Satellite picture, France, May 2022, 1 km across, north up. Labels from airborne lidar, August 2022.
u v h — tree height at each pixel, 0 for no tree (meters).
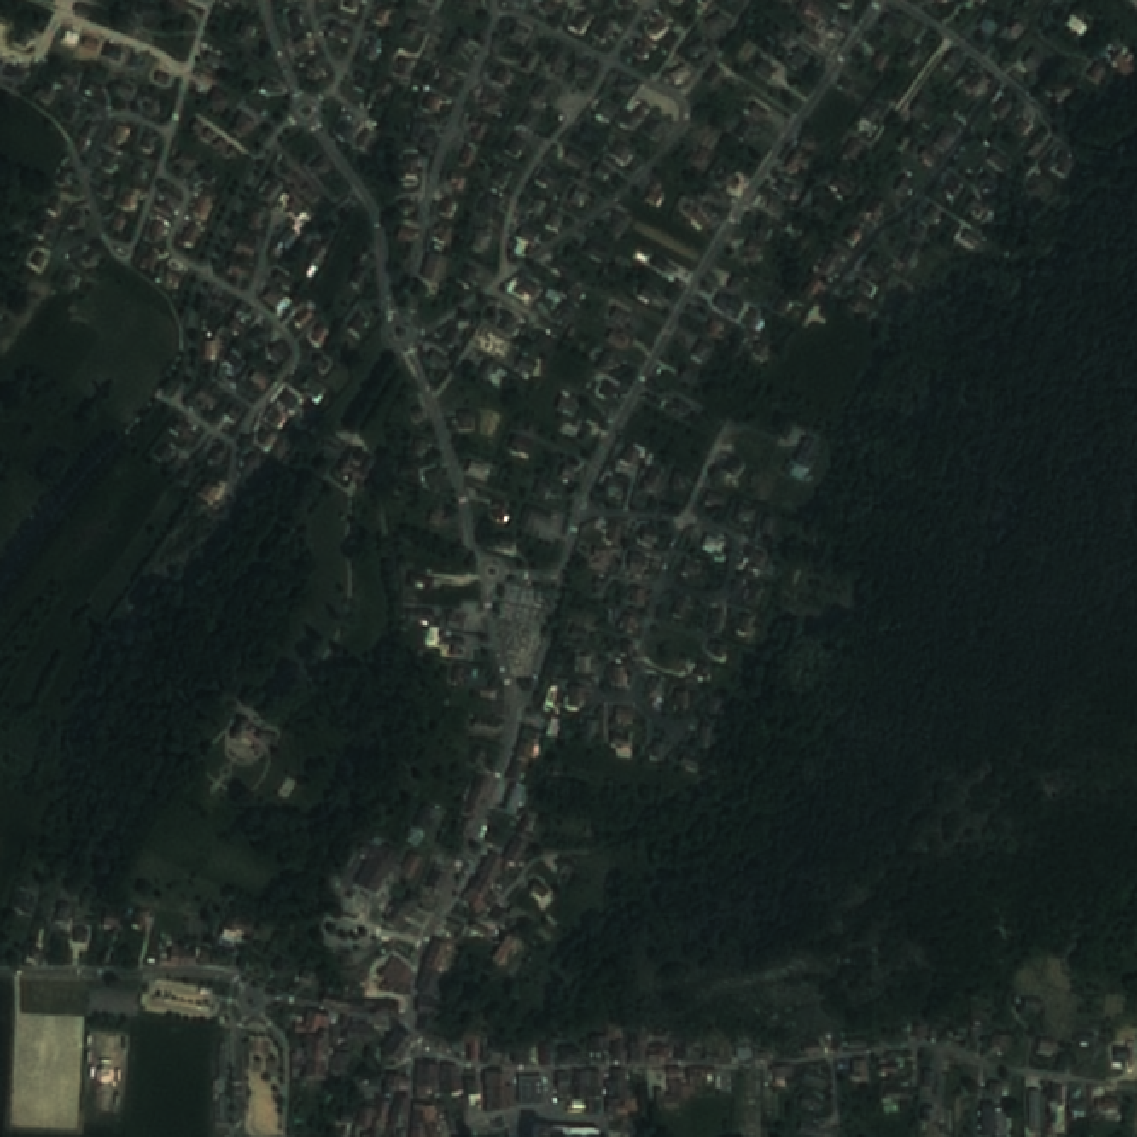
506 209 0
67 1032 0
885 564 17
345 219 17
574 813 8
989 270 14
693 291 0
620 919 10
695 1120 0
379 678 29
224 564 21
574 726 6
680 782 0
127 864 22
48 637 0
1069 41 7
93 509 0
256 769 0
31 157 0
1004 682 12
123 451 27
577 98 0
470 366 15
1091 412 23
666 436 7
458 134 0
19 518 0
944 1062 0
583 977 12
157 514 0
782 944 7
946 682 15
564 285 6
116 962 6
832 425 7
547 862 0
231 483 0
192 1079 0
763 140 0
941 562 14
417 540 7
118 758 29
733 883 14
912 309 22
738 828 15
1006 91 8
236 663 22
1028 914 15
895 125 12
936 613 16
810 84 10
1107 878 16
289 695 34
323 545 0
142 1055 0
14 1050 0
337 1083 19
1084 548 16
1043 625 17
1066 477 18
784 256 7
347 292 0
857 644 20
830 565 14
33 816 0
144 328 0
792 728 17
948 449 20
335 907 16
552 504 0
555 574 0
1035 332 19
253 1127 0
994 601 16
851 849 16
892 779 15
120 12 16
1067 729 9
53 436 0
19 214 8
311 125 0
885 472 21
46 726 6
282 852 27
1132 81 14
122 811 26
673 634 0
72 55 0
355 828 24
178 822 0
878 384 15
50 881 5
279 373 7
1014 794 9
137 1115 0
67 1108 0
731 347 6
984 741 11
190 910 0
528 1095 0
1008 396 19
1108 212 21
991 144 7
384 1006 0
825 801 19
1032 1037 6
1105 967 11
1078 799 10
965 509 18
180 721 30
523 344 10
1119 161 15
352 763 27
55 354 0
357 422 12
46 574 0
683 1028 7
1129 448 17
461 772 8
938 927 14
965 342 26
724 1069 0
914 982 11
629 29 0
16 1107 0
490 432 0
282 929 13
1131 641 11
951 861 11
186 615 26
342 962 0
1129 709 14
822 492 9
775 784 12
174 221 0
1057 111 8
